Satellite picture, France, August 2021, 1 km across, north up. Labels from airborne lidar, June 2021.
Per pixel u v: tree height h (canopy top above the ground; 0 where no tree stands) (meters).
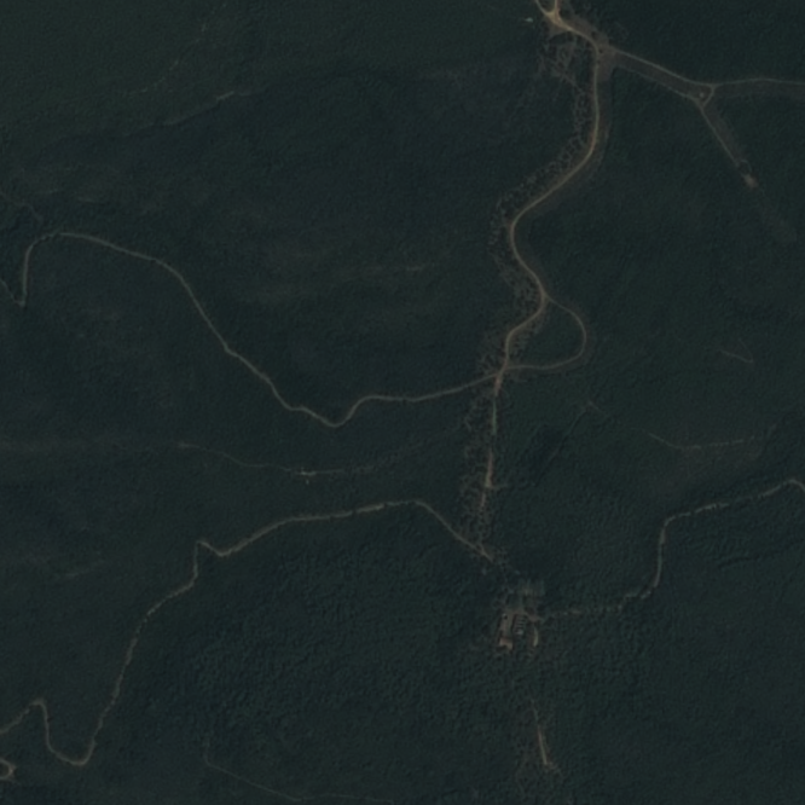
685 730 8
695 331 6
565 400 6
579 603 10
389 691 7
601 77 0
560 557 7
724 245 7
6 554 0
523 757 8
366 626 8
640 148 6
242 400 7
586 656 7
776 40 5
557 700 7
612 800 6
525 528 8
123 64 6
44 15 6
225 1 6
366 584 10
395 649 8
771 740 9
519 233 0
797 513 5
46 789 8
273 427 6
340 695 7
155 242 6
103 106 6
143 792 0
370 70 7
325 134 6
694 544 8
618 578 8
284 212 0
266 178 7
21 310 6
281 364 7
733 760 6
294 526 6
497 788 8
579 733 8
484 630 6
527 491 7
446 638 11
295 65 6
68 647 7
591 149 0
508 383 9
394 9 6
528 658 8
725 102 6
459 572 7
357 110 6
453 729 7
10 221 6
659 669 6
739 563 9
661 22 7
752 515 7
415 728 6
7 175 6
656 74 0
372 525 6
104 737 8
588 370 7
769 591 5
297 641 8
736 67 5
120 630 7
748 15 9
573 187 0
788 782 6
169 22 5
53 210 6
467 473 6
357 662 6
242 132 6
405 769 11
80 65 6
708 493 9
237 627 8
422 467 6
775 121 6
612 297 6
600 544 6
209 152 6
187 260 6
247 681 7
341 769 6
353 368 5
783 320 7
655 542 7
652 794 6
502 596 10
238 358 6
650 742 6
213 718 8
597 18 8
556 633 7
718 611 6
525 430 8
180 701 6
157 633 6
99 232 7
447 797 11
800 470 6
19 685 7
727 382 5
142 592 6
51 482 5
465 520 7
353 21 6
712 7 6
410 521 9
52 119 7
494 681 10
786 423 8
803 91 0
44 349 7
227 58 6
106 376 6
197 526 8
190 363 6
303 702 6
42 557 0
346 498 7
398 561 8
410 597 11
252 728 7
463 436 5
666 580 6
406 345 6
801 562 7
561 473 10
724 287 6
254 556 6
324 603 7
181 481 6
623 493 7
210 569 9
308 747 7
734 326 5
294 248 0
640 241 7
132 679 6
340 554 10
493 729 9
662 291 6
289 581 6
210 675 7
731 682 5
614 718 7
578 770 7
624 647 11
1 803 6
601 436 5
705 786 6
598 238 6
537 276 0
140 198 6
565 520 7
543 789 8
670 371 6
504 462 8
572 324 5
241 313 6
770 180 5
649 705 7
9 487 6
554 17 0
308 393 6
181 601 6
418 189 6
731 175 6
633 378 6
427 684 8
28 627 6
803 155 7
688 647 7
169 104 6
